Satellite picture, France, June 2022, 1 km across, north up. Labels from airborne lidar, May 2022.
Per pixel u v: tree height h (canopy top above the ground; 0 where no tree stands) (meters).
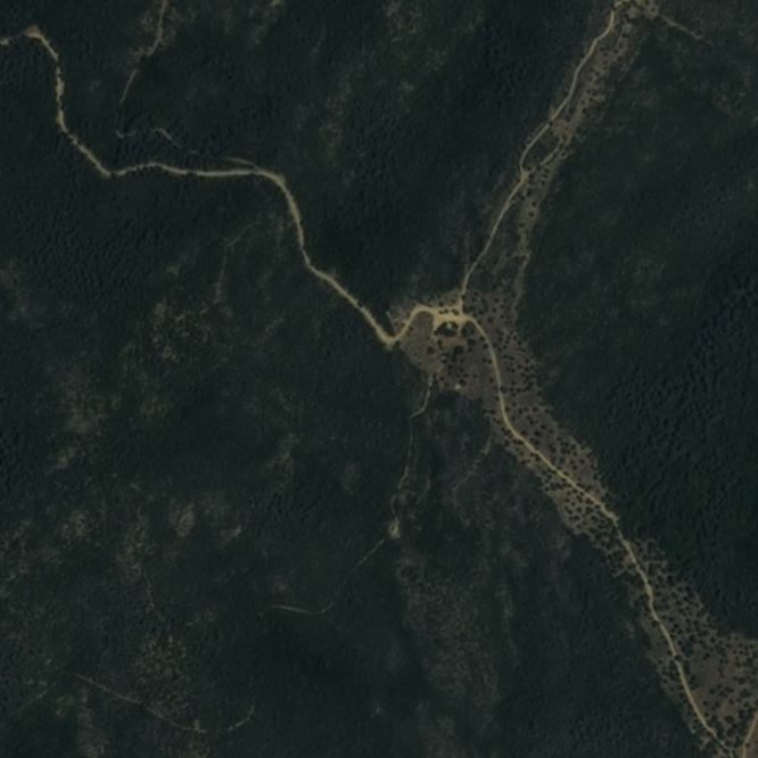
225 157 13
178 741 6
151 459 6
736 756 7
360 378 8
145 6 6
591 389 6
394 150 16
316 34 6
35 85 9
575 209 6
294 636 9
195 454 6
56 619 7
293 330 7
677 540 12
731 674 0
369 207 16
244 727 6
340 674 11
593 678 7
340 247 15
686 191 6
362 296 7
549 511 6
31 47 13
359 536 6
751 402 8
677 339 9
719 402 7
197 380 6
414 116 15
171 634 11
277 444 6
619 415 11
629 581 7
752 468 17
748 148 7
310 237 10
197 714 6
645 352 7
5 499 11
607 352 7
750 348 6
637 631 6
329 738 6
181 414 9
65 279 15
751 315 9
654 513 19
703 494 10
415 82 8
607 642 7
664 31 6
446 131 6
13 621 8
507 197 0
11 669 15
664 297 8
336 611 7
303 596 6
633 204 7
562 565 5
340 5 8
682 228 9
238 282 5
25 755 6
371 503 9
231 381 7
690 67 11
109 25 7
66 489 5
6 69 16
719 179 8
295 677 11
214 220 7
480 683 6
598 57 0
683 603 11
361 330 12
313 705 7
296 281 6
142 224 7
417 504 6
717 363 15
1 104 6
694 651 9
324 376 7
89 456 6
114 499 7
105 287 14
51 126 6
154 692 7
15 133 7
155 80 7
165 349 8
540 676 6
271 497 10
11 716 6
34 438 7
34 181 8
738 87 6
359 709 7
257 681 6
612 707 10
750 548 13
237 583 8
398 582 7
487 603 6
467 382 7
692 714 7
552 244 6
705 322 6
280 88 6
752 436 13
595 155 7
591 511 7
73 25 9
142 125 11
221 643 8
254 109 13
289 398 10
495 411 7
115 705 5
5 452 15
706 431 16
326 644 6
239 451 8
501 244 0
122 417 6
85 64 6
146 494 5
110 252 16
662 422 19
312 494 12
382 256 7
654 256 6
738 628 7
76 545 7
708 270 10
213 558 7
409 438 6
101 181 8
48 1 10
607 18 0
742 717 8
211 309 5
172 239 9
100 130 6
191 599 7
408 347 0
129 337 6
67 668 9
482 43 11
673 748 10
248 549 6
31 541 5
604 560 7
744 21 7
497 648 6
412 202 8
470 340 7
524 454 6
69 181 8
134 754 6
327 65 7
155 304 6
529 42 6
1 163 11
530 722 6
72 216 8
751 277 15
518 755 7
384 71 6
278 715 11
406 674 6
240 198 8
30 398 7
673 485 17
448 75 9
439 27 7
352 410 8
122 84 9
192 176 14
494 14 7
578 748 11
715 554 8
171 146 13
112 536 6
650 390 17
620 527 7
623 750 13
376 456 6
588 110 7
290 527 6
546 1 5
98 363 5
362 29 6
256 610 6
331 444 7
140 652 6
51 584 10
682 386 10
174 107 6
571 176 8
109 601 7
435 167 9
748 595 7
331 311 6
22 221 12
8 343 6
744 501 15
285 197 6
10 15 12
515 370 6
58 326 6
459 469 0
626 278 6
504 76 17
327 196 9
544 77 7
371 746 8
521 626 7
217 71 6
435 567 6
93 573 6
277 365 7
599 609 7
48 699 7
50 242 13
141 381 6
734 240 7
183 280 6
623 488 15
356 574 10
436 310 0
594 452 6
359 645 7
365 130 18
